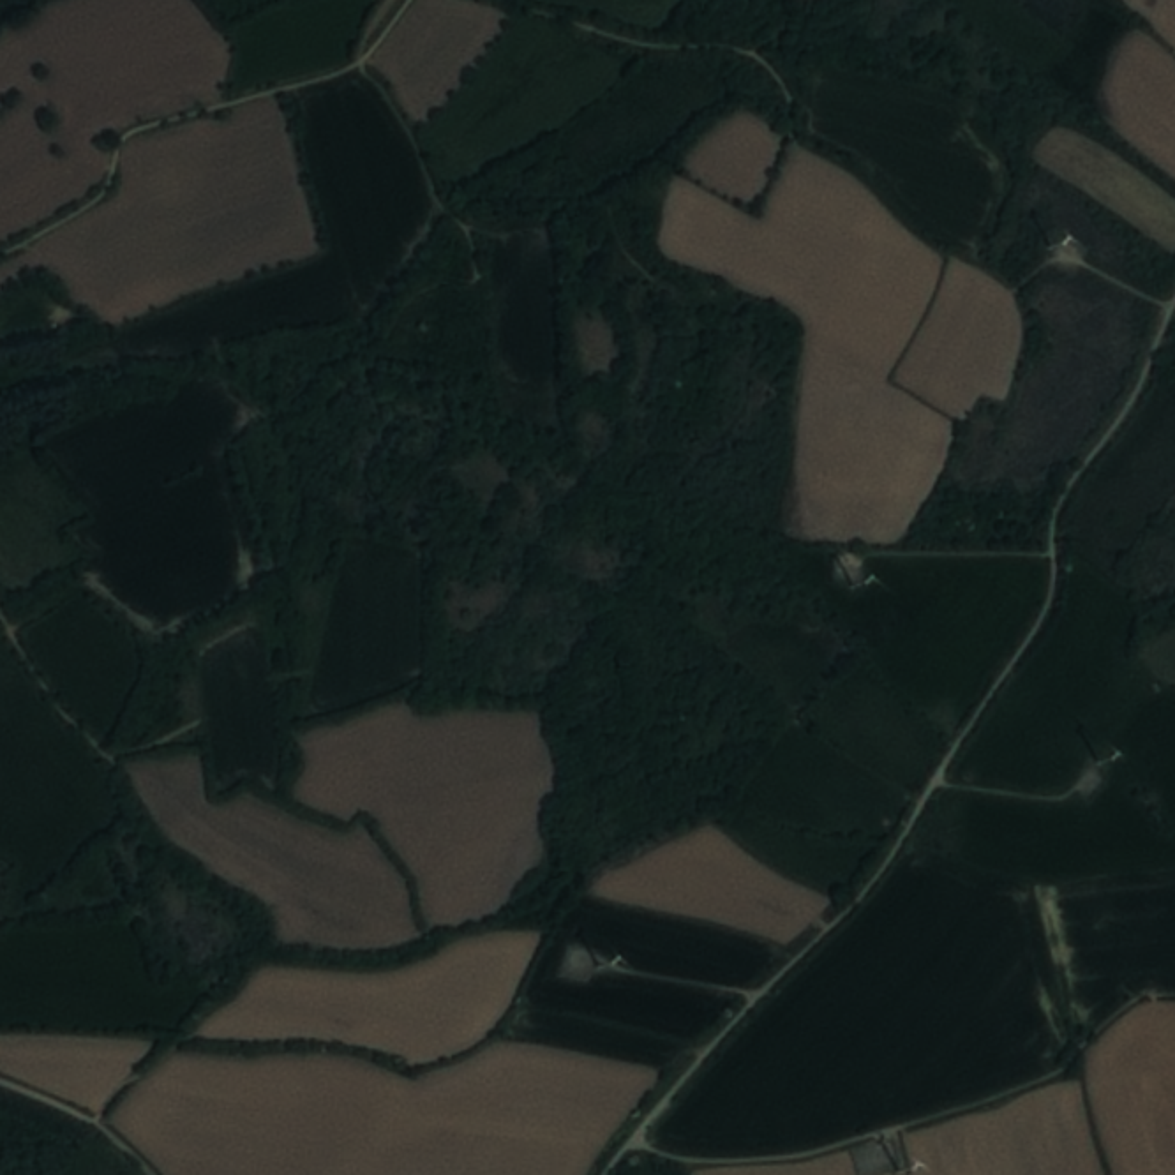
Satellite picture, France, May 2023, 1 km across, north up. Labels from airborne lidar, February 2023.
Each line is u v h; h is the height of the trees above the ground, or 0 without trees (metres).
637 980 0
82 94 0
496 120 0
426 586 11
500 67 0
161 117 0
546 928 6
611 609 16
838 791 0
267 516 16
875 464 0
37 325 0
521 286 0
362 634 0
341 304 0
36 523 0
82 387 20
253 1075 0
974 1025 0
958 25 7
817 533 0
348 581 0
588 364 0
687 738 6
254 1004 0
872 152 0
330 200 0
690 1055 0
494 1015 0
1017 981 0
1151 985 0
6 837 0
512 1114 0
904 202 0
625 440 12
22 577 0
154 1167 0
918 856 0
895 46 9
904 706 7
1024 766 0
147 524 0
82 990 0
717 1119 0
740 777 9
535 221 12
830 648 0
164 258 0
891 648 0
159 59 0
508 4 16
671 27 12
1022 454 0
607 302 15
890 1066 0
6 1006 0
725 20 10
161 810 0
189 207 0
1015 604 0
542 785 0
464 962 0
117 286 0
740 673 11
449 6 0
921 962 0
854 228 0
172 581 0
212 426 0
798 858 0
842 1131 0
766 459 10
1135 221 0
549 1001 0
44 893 9
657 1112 0
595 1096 0
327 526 10
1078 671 0
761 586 9
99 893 0
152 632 0
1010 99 10
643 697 10
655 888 0
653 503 6
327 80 0
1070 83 0
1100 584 0
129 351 0
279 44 0
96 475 0
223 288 9
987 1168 0
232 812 0
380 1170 0
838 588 0
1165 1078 0
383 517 18
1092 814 0
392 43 0
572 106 0
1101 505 0
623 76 9
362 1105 0
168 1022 0
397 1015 0
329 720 7
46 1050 0
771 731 8
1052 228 0
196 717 0
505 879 0
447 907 0
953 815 0
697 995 0
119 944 0
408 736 0
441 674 8
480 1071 0
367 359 13
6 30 14
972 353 0
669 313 11
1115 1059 0
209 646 0
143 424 0
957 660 0
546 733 11
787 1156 0
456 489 9
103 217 0
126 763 6
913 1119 0
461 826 0
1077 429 0
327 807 0
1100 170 0
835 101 0
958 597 0
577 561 0
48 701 11
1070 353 0
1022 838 0
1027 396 0
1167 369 8
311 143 0
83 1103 0
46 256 0
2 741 0
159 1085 0
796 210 0
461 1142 0
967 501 8
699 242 0
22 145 0
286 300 0
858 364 0
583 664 13
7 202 0
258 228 0
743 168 0
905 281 0
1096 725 0
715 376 8
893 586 0
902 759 0
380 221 0
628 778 12
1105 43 0
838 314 0
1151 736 0
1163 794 0
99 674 0
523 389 0
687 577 10
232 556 0
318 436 7
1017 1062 0
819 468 0
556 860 12
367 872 0
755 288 0
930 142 0
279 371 8
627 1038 0
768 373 7
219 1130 0
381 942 0
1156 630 6
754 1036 0
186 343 0
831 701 0
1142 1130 0
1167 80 0
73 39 0
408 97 0
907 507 0
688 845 0
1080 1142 0
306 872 0
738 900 0
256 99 0
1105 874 0
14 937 0
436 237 7
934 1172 0
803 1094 0
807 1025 0
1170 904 0
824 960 0
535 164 10
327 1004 0
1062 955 0
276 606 7
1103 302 0
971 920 0
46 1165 10
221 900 9
